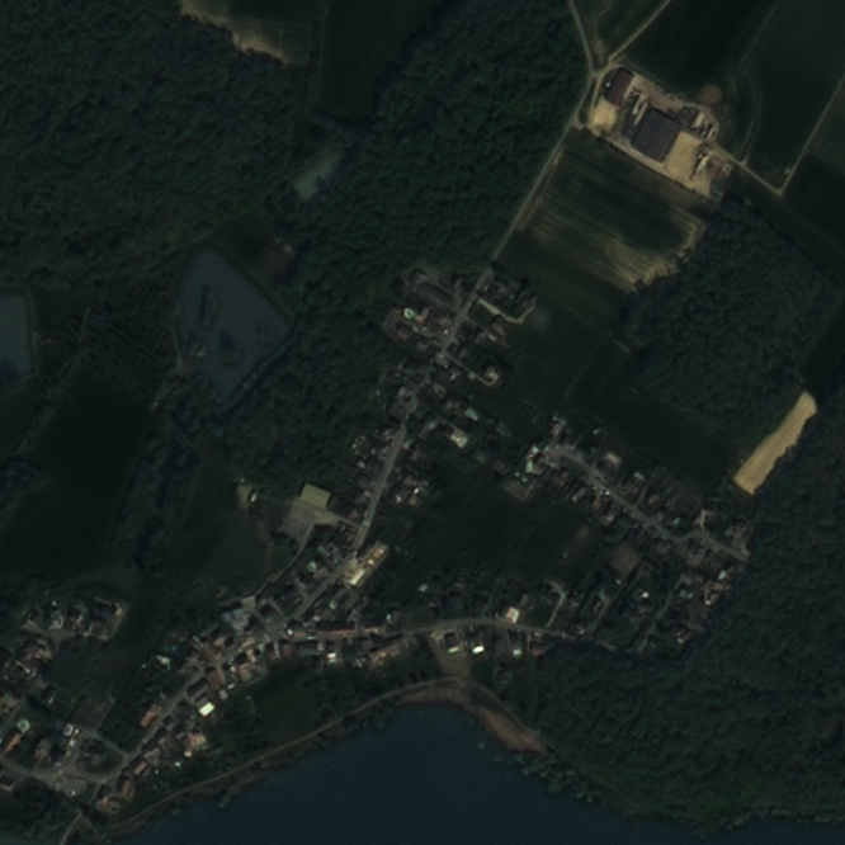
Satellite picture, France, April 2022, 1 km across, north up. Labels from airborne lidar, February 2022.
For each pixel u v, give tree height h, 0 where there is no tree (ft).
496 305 18
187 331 0
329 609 0
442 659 0
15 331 0
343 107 0
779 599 80
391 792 0
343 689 0
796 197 0
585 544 0
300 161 41
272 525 0
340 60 0
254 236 0
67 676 49
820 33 0
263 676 0
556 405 0
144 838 0
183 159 101
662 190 0
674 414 0
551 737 62
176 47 80
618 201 0
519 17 71
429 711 0
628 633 0
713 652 83
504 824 0
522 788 0
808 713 100
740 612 84
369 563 0
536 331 0
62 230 96
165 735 0
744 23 0
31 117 106
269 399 92
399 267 68
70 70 109
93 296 0
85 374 0
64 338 0
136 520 34
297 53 0
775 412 84
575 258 0
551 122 69
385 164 84
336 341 82
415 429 34
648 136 0
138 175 61
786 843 0
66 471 0
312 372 94
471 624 0
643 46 0
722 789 92
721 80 0
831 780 98
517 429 0
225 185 86
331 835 0
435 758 0
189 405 47
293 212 67
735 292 87
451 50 80
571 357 0
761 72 0
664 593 27
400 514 0
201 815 0
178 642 0
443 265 66
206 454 0
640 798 77
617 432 0
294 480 81
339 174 58
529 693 0
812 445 71
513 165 84
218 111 109
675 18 0
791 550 92
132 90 113
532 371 0
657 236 0
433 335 0
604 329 0
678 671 81
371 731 0
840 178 0
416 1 0
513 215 76
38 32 100
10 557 0
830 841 0
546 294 0
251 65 84
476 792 0
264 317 0
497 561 0
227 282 0
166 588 0
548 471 0
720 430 57
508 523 0
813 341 68
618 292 0
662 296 85
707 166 0
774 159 0
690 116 0
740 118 0
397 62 0
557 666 85
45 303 0
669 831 0
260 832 0
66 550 0
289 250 0
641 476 0
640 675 86
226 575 0
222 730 39
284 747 0
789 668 78
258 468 84
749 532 0
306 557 0
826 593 81
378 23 0
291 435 101
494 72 83
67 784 0
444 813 0
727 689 52
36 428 24
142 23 86
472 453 22
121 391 0
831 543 93
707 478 0
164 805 0
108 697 0
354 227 75
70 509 0
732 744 93
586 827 0
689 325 85
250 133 104
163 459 33
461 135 75
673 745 89
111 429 0
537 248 0
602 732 81
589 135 44
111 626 0
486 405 0
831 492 87
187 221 69
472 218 75
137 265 61
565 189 0
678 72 0
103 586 0
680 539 0
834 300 71
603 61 0
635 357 0
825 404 45
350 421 85
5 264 96
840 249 0
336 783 0
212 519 0
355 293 83
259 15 0
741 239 68
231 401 30
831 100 0
